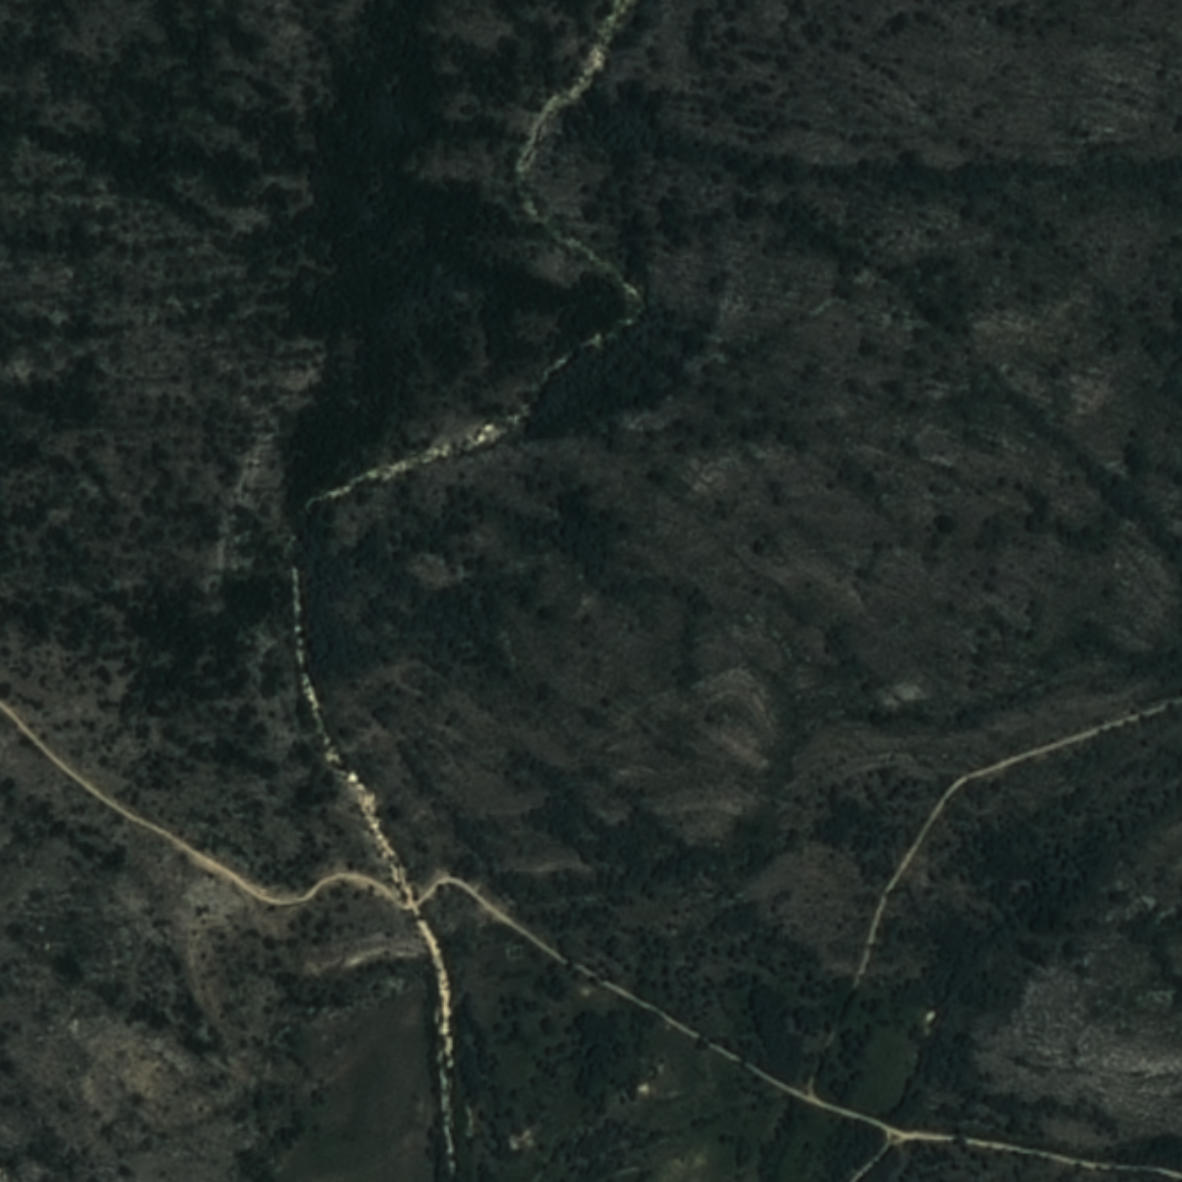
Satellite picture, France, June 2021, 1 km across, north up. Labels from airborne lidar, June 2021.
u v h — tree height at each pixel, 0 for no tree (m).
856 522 0
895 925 6
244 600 5
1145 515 10
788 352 0
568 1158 7
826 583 0
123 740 0
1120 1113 0
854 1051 7
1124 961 0
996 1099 8
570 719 0
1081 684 0
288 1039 7
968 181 9
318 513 13
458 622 8
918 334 7
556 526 9
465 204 10
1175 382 9
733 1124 0
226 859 0
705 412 0
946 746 0
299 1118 6
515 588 9
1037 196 0
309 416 8
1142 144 0
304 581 10
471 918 0
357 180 11
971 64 0
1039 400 0
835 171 7
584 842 8
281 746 0
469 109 7
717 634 0
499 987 0
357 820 0
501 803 0
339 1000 7
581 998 0
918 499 0
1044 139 0
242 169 7
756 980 12
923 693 0
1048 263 0
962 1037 8
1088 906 0
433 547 8
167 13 6
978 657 7
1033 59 0
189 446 0
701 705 0
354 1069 0
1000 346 0
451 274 12
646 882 6
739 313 0
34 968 0
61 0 6
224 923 0
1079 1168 6
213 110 7
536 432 14
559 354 12
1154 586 0
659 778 0
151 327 0
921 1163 9
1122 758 0
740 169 9
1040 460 0
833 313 0
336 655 13
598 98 8
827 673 6
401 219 7
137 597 6
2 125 9
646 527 0
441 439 0
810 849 0
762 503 0
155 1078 0
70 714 0
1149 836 0
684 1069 0
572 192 0
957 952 8
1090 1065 0
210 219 6
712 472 0
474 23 0
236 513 7
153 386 0
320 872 0
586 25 8
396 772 0
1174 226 0
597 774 6
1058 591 0
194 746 5
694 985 9
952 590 0
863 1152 9
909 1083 8
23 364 0
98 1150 0
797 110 0
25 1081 0
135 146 8
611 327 10
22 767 0
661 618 0
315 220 9
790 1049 10
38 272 0
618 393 11
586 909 6
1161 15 0
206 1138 0
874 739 0
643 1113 0
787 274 0
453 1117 6
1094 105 0
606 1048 10
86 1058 0
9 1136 0
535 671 0
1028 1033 0
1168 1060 0
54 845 0
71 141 8
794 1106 10
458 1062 7
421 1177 0
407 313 12
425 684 6
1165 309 0
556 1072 9
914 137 0
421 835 0
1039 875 11
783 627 0
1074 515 0
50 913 0
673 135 10
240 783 0
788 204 7
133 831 0
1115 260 0
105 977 0
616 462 0
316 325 8
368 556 13
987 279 0
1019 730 0
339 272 7
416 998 0
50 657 0
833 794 7
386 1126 0
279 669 6
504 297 8
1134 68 0
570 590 0
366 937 0
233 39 6
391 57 9
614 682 0
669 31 0
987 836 8
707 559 0
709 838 0
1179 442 0
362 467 8
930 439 0
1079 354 0
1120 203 0
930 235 6
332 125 11
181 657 6
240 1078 0
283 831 0
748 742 0
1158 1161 9
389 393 6
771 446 0
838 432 0
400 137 13
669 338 7
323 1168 0
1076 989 0
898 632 0
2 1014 0
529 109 7
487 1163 6
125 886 0
